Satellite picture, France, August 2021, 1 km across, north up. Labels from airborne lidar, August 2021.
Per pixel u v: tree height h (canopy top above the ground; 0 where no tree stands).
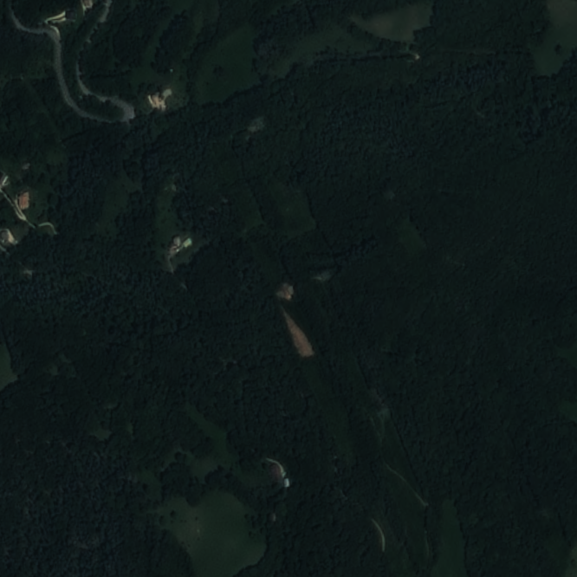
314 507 22
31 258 23
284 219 16
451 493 19
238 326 19
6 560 22
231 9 18
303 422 26
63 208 20
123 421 20
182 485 26
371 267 18
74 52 18
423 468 20
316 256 15
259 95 22
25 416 23
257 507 16
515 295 26
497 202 15
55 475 13
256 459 16
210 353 23
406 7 13
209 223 29
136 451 17
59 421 27
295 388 20
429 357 26
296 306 6
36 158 11
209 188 9
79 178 24
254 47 0
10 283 12
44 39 7
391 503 17
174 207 10
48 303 28
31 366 18
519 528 21
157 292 20
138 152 15
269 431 25
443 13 17
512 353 18
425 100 15
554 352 21
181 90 0
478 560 8
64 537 15
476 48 18
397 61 11
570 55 0
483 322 16
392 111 23
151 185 23
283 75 0
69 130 22
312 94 16
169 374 25
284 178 18
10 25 28
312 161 21
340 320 13
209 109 21
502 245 19
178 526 0
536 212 21
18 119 25
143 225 22
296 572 25
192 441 22
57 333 18
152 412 14
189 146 16
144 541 16
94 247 23
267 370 25
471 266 17
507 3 14
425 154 23
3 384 0
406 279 19
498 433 27
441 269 11
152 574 19
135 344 18
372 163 17
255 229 7
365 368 17
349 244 21
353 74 17
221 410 23
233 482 22
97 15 14
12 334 8
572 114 19
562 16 0
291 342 18
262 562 9
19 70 19
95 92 14
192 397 23
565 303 30
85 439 23
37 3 27
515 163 18
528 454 21
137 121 9
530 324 18
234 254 22
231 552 0
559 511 24
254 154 14
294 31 8
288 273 22
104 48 19
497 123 15
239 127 12
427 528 11
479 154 18
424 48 6
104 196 25
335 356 17
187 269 23
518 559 20
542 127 18
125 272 27
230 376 25
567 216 16
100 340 23
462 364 24
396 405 26
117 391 20
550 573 19
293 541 20
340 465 20
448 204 18
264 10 7
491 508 19
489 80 27
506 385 28
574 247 13
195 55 16
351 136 19
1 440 17
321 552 26
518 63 7
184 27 24
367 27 0
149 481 0
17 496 14
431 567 7
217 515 0
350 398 19
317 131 16
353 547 19
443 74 24
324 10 23
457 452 30
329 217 20
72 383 19
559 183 20
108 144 22
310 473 14
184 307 18
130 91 17
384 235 25
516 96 7
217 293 17
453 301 21
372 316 22
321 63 9
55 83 22
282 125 18
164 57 19
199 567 0
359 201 15
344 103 25
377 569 11
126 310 12
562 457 25
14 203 9
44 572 22
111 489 29
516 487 32
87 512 21
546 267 20
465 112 9
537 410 24
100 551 20
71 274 16
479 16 16
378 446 20
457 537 0
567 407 0
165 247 9
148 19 17
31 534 24
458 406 29
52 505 18
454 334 26
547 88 21
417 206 20
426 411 20
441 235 15
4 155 10
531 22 7
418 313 15
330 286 14
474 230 16
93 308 22
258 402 28
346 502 17
